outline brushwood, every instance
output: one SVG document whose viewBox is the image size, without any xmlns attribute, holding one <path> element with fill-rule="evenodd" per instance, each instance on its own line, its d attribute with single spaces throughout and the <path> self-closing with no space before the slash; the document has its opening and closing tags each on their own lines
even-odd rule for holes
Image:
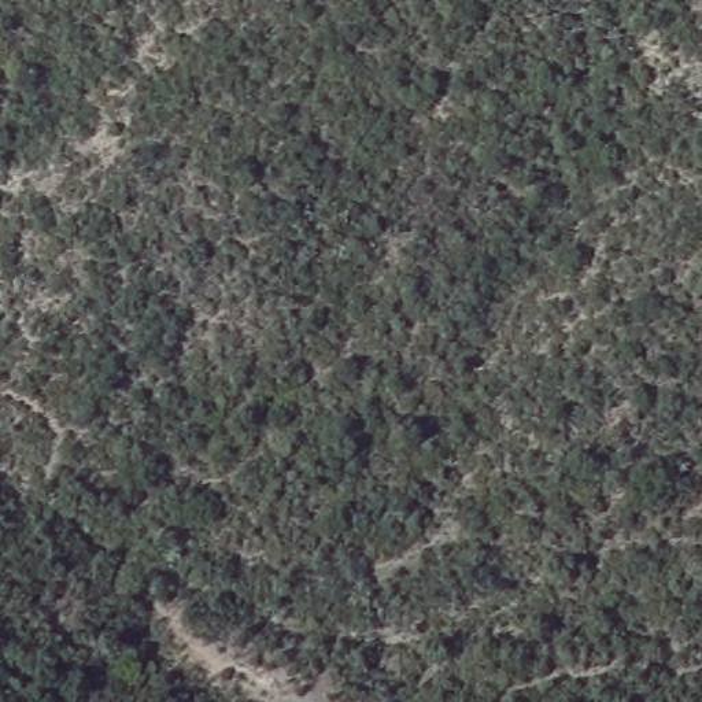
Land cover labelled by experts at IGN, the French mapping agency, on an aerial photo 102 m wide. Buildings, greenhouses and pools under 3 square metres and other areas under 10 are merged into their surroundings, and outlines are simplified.
<svg viewBox="0 0 702 702">
<path fill-rule="evenodd" d="M 702 0 L 0 0 L 0 702 L 702 702 Z"/>
</svg>

